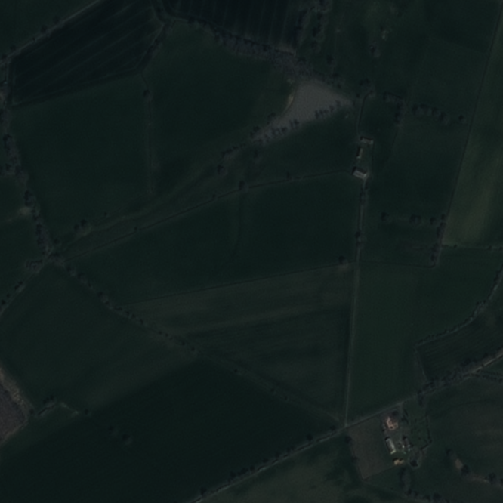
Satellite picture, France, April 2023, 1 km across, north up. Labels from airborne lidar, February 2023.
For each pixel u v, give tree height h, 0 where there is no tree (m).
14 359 0
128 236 0
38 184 0
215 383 0
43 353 0
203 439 0
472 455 0
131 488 0
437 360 0
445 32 0
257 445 0
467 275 0
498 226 0
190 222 0
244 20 0
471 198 0
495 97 0
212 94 0
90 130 0
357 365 0
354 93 0
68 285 0
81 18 0
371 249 0
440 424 0
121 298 0
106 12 0
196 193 0
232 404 0
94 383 0
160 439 0
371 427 0
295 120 0
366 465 0
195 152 0
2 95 11
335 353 0
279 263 0
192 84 0
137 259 0
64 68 0
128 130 0
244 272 0
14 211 0
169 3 0
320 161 0
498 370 0
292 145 0
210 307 0
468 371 18
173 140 0
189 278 0
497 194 0
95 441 0
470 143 0
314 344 0
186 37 0
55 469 0
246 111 0
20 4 0
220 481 0
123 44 0
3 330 0
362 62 0
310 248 0
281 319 0
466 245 0
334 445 0
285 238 0
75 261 0
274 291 0
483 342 0
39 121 0
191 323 0
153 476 0
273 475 0
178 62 0
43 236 18
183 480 0
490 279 0
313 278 0
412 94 0
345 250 0
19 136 0
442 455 0
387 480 0
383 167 0
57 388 0
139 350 0
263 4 0
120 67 0
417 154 0
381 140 0
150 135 0
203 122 0
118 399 0
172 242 0
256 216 0
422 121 0
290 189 0
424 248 0
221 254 0
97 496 0
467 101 0
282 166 0
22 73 0
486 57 0
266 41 0
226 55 0
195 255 0
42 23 0
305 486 0
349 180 0
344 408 0
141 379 0
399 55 0
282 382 0
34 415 14
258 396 0
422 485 0
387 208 0
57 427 0
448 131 0
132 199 0
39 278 0
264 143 14
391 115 0
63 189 0
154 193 0
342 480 0
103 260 0
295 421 0
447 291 0
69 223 0
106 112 0
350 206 0
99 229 0
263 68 0
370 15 0
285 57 17
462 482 0
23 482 0
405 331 0
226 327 0
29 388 0
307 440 0
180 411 0
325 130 0
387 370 0
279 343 0
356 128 0
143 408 0
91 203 0
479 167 0
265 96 0
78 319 0
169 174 0
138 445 0
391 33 0
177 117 0
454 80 0
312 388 0
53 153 0
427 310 0
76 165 0
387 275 0
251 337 0
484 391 0
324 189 0
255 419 0
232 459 0
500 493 0
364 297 0
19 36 0
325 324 0
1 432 16
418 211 0
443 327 0
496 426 0
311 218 0
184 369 0
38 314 0
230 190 0
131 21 0
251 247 0
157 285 0
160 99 0
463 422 0
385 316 0
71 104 0
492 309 0
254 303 0
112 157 0
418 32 0
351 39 0
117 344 0
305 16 16
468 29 0
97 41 0
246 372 0
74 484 0
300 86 0
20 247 0
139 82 0
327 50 0
